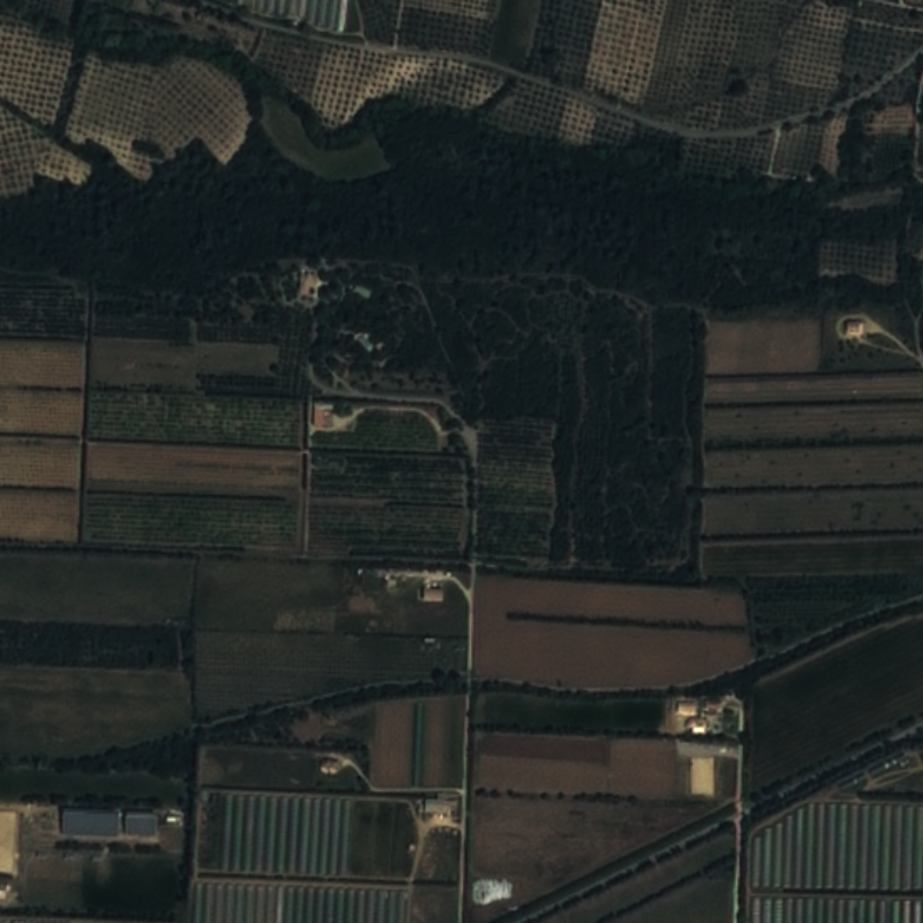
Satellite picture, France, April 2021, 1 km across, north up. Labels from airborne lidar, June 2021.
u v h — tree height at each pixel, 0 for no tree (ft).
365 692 28
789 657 20
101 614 0
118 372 0
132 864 0
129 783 0
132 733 0
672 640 0
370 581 0
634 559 23
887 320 0
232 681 0
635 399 20
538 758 0
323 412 0
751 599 54
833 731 0
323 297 37
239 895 0
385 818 0
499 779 0
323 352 39
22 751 0
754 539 28
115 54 26
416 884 18
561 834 0
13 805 0
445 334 23
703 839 19
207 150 27
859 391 0
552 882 0
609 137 18
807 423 0
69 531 0
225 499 21
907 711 0
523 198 22
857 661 0
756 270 24
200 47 44
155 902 0
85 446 22
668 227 34
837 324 0
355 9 0
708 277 17
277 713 25
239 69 43
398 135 31
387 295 21
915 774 0
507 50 0
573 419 17
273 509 20
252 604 0
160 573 0
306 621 0
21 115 22
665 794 0
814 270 22
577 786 0
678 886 22
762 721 0
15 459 0
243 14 36
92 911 18
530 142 47
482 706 0
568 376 25
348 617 0
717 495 34
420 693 32
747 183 33
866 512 0
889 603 27
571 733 26
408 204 20
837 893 20
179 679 0
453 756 0
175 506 17
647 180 24
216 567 0
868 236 26
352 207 25
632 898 0
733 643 0
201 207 19
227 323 19
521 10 0
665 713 0
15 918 43
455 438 33
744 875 22
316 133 38
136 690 0
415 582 0
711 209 18
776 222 18
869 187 27
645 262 18
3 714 0
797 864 0
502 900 0
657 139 25
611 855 0
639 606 0
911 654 0
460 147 19
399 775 0
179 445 19
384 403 30
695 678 0
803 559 0
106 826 0
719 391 0
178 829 0
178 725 0
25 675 0
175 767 36
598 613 0
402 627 0
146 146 18
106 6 24
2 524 0
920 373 17
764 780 0
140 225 22
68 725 0
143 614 0
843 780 37
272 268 33
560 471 27
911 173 32
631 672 0
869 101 21
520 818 0
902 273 22
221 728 24
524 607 0
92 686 0
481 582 0
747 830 27
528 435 19
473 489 34
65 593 0
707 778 0
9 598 0
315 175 26
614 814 0
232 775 0
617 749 0
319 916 0
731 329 0
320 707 28
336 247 18
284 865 0
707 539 34
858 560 0
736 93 46
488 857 0
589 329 28
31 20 21
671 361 18
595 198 27
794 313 0
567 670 0
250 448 21
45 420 0
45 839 0
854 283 18
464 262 25
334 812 0
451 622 0
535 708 0
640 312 20
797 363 0
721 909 0
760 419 0
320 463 28
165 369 0
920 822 0
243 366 0
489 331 31
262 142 25
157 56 44
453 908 0
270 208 21
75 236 18
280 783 0
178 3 23
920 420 0
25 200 20
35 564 0
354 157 0
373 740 0
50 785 0
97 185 32
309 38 31
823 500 0
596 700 26
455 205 23
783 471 0
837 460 0
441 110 28
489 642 0
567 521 26
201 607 0
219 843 0
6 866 0
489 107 22
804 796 30
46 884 0
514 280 24
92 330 20
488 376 31
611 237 40
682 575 19
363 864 0
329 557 0
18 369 0
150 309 26
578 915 0
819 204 43
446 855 0
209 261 26
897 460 0
